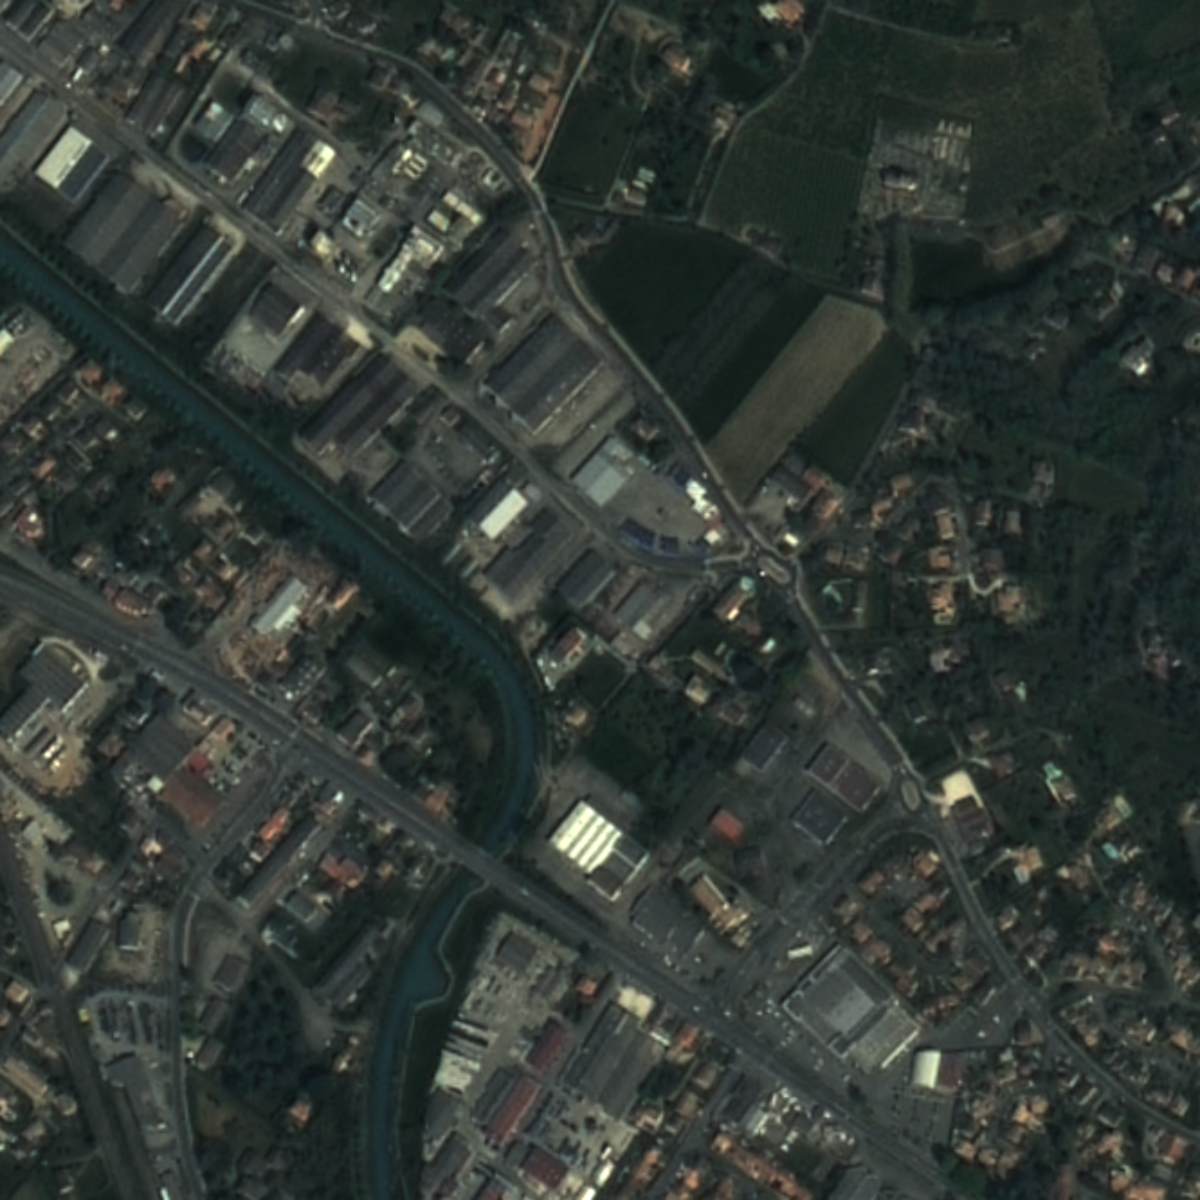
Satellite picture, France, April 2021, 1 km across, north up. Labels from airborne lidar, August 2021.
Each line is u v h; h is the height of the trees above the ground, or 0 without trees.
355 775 0
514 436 0
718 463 0
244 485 14
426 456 0
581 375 0
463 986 0
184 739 0
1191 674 10
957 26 11
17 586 0
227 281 0
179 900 0
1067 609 14
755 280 13
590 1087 0
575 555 0
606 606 0
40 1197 0
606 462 0
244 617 0
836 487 0
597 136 0
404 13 0
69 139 0
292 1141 15
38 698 0
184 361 13
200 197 0
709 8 8
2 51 0
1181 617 16
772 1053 0
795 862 0
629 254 0
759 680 16
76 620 0
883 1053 0
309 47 0
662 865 7
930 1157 0
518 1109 0
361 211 0
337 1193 12
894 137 0
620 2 18
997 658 15
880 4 11
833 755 0
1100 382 17
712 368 11
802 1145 0
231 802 0
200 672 0
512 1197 0
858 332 0
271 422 16
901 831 9
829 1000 0
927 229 15
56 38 0
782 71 9
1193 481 12
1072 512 15
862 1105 18
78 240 0
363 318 0
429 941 0
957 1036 0
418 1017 8
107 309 13
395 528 16
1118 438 6
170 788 0
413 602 12
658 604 0
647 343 0
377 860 9
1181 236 22
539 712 9
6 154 0
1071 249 16
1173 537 15
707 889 0
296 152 0
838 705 0
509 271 0
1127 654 10
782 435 0
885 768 0
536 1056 0
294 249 0
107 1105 0
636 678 5
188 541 0
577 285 0
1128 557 16
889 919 6
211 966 0
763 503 0
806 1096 0
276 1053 17
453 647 14
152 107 0
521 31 12
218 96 0
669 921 0
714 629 11
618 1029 0
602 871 0
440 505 0
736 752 8
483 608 12
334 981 0
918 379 22
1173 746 0
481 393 0
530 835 20
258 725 0
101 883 0
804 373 0
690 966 0
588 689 9
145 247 0
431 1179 0
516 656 10
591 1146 0
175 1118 0
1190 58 7
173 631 13
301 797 7
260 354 0
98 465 7
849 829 13
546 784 0
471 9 0
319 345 0
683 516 0
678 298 0
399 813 0
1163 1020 6
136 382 12
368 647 0
